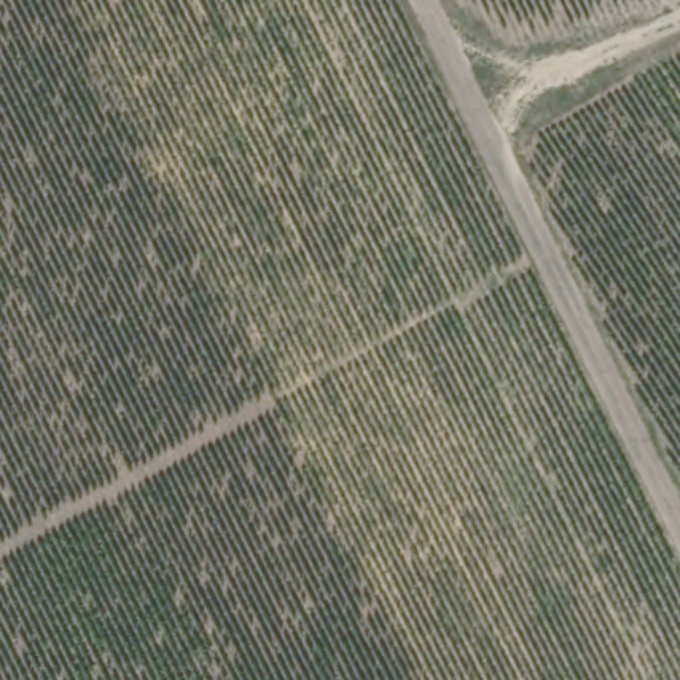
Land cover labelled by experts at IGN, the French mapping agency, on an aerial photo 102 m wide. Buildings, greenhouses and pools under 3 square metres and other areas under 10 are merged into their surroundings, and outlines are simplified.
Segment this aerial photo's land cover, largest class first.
<instances>
[{"label":"vineyard","instance_id":"1","mask_svg":"<svg viewBox=\"0 0 680 680\"><path fill-rule=\"evenodd\" d=\"M0 680H680V560L638 481L635 468L630 465V457L619 436L608 422V414L603 412L587 380V372L558 313L550 305V298L537 274L534 255L521 244L510 213L502 207V199L489 186L483 159L475 154L473 141L468 138L460 112L449 106L444 72L436 64L433 48L428 45L425 29L420 27L414 11L409 8V0H0ZM460 8L481 19L489 27V32L505 43L534 45L545 40L582 37L587 48L614 35L664 19L680 8V0H457ZM529 189L537 199V207L542 210L550 236L558 247V255L568 263V276H576L579 298L584 300L595 327L606 337V348L619 372V380L638 398V412L648 430V441L656 457L664 462L680 494V53L675 58L659 61L648 72L638 74L632 85L606 96L603 101L576 112L574 117L547 125V130L539 135L534 159L523 170Z\"/></svg>","mask_w":680,"mask_h":680},{"label":"pervious surface","instance_id":"2","mask_svg":"<svg viewBox=\"0 0 680 680\"><path fill-rule=\"evenodd\" d=\"M409 8L414 11L420 27L425 29L428 45L433 48L436 64L444 72L449 106L460 112L468 138L473 141L475 154L483 159L489 186L502 199V207L510 213L521 244L534 255L537 274L550 298V305L558 313L587 372V380L603 412L608 414V422L619 436L630 457V465L635 468L638 481L680 560V494L664 462L656 457L648 441V430L638 412V398L619 380V372L606 348V337L595 327L584 300L579 298L576 276H568V263L558 255V247L550 236L542 210L537 207V199L529 189L523 170L518 167L513 154V130L518 128L529 101H534L550 88L571 85L603 64H611L638 48L653 45L680 32V8L664 19L614 35L587 48L545 56L537 61L510 58L507 53L465 43L438 0H409ZM470 53L481 61L486 58L502 66L507 74L510 96L499 104L497 114H491L486 106V96L481 93L473 66L468 61Z\"/></svg>","mask_w":680,"mask_h":680},{"label":"herbaceous vegetation","instance_id":"3","mask_svg":"<svg viewBox=\"0 0 680 680\"><path fill-rule=\"evenodd\" d=\"M465 43L507 53L510 58L537 61L545 56L587 48L582 37L545 40L534 45L505 43L489 32V27L481 19L460 8L457 0H438ZM680 53V32L653 45L638 48L611 64H603L571 85L550 88L534 101H529L518 128L513 130V154L518 167L523 170L534 159L539 135L547 130V125L574 117L576 112L603 101L606 96L632 85L638 74L648 72L659 61L675 58ZM468 61L473 66L481 93L486 96V106L491 114H497L499 104L510 96L507 74L502 66L486 58L481 61L470 53Z\"/></svg>","mask_w":680,"mask_h":680}]
</instances>
